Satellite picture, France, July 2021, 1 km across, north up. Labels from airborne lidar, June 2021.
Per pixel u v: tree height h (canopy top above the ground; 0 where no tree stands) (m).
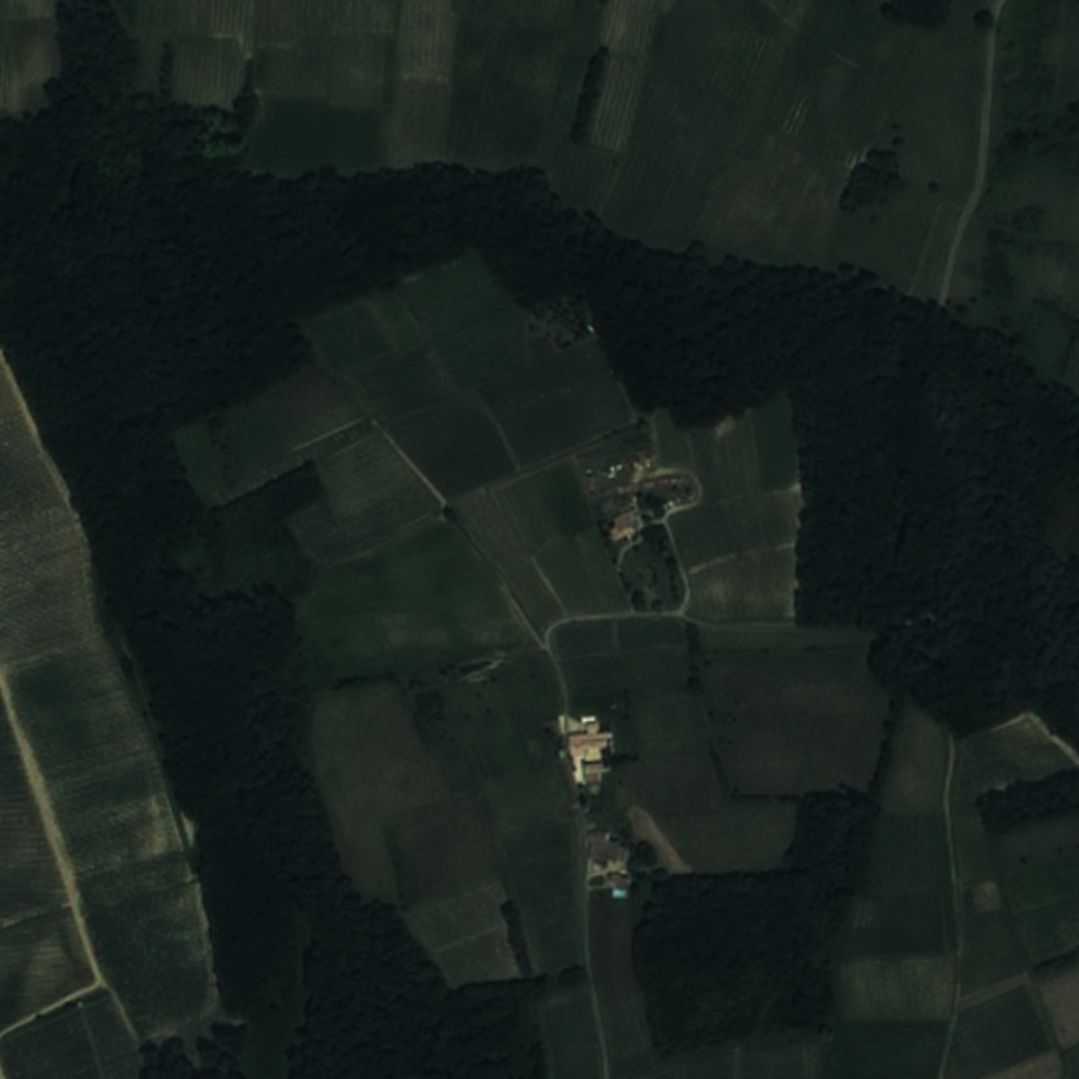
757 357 19
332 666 0
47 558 0
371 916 17
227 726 24
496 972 0
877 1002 0
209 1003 0
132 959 0
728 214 0
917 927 0
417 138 0
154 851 0
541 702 0
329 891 26
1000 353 12
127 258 23
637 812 0
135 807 0
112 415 26
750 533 0
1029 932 0
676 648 0
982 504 15
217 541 6
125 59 13
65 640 0
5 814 0
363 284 17
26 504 0
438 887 0
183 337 19
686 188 0
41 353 23
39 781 0
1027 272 0
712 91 0
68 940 0
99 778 0
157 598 20
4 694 0
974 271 0
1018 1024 0
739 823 0
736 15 0
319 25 0
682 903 20
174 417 22
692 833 0
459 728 0
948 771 0
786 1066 0
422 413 0
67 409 17
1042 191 0
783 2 0
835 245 0
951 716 7
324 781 0
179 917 0
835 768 0
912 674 18
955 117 0
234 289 22
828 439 18
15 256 22
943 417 19
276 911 17
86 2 10
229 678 20
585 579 0
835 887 13
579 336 8
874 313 23
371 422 0
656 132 0
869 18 0
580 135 11
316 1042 25
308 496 8
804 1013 16
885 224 0
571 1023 0
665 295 20
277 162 0
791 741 0
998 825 13
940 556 17
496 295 0
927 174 0
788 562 0
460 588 0
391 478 0
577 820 0
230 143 22
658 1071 0
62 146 13
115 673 0
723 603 0
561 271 20
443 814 0
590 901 0
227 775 20
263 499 6
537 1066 7
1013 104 0
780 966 21
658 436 0
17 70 0
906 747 0
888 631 6
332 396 0
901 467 23
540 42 0
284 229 20
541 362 0
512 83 0
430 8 0
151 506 21
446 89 0
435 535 0
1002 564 16
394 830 0
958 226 0
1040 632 23
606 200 0
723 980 7
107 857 0
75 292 19
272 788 15
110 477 19
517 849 0
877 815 17
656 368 19
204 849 14
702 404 19
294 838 25
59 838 0
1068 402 23
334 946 18
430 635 0
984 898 0
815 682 0
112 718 0
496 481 0
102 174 22
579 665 0
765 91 0
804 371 25
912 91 0
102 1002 0
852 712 0
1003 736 0
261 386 18
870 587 29
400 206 7
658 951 19
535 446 0
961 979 0
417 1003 19
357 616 0
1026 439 18
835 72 0
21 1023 0
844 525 21
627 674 0
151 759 0
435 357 0
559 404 0
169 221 18
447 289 0
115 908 0
